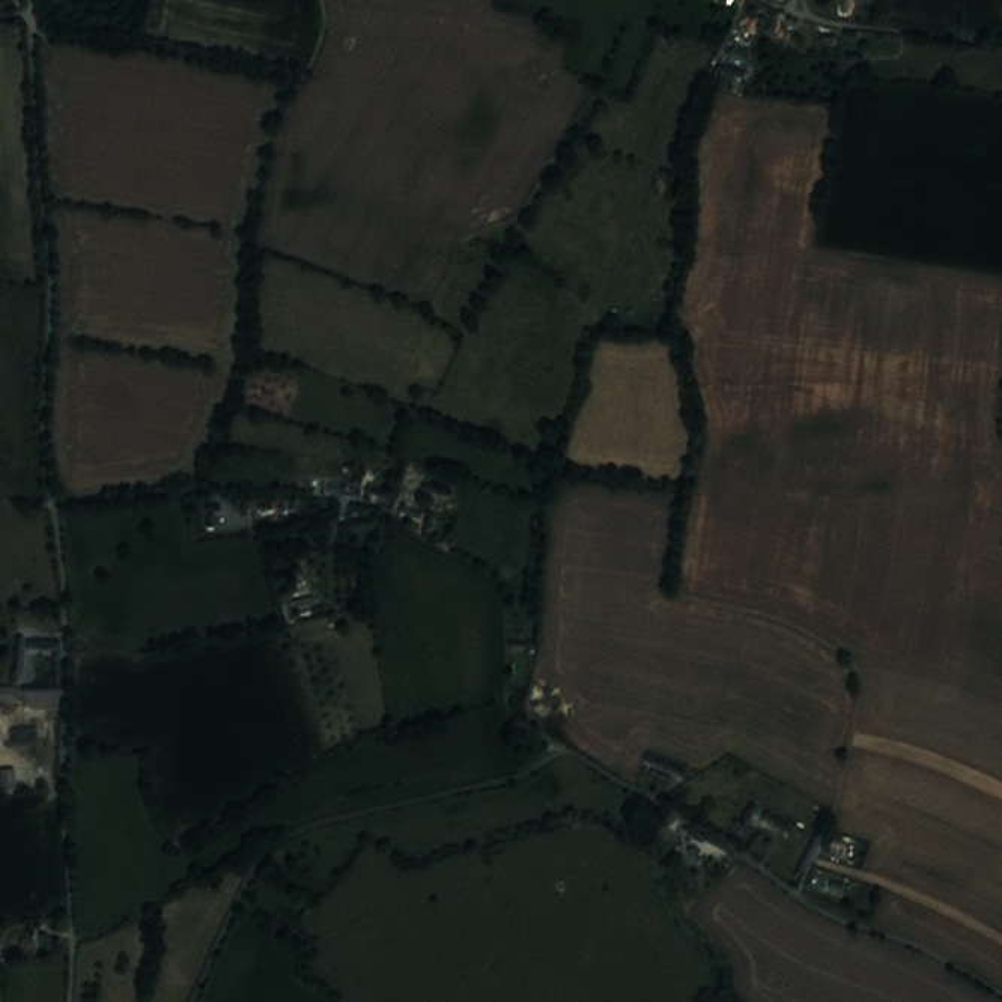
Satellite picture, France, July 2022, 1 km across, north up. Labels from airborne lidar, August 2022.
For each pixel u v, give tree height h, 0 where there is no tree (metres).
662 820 26
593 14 0
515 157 0
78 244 0
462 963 0
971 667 0
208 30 0
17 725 0
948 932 0
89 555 0
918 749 0
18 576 0
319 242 0
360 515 7
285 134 0
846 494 0
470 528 0
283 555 12
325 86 0
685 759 0
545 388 0
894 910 0
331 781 0
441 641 0
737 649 0
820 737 0
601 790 0
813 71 9
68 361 0
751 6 8
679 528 22
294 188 0
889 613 0
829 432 0
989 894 0
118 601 0
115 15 9
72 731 13
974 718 0
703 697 0
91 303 0
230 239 0
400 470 11
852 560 0
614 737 0
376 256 0
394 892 0
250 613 0
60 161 0
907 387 0
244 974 0
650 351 0
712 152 0
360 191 0
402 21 0
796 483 0
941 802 0
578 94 0
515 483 0
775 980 0
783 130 0
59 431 0
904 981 0
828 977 0
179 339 0
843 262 0
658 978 0
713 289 0
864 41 8
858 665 0
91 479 0
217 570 0
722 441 0
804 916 0
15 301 0
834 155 17
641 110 0
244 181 0
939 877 0
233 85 0
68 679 13
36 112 9
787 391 0
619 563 0
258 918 14
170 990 0
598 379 0
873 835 0
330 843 0
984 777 0
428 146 0
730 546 0
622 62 0
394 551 0
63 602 15
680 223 20
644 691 0
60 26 12
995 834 0
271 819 0
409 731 17
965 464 0
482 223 0
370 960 0
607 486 18
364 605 22
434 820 0
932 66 0
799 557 0
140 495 19
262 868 22
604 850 0
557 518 0
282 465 0
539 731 10
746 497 0
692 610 0
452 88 0
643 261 0
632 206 0
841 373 0
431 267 0
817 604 0
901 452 0
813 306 0
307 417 0
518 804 0
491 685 0
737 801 0
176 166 0
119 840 0
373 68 0
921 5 0
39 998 0
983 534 0
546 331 0
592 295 0
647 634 0
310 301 0
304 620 6
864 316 0
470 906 0
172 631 0
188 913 0
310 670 6
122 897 0
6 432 0
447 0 0
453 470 18
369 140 0
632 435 0
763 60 10
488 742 0
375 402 14
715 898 0
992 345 0
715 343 0
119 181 0
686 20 0
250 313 15
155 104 0
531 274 0
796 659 0
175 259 0
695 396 13
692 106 16
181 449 0
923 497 0
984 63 0
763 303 0
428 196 0
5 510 0
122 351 12
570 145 17
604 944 0
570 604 0
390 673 0
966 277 0
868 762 0
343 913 0
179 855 11
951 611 0
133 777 0
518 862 0
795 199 0
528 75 0
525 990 0
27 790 12
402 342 0
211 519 0
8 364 0
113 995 0
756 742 0
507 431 0
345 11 0
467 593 0
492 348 0
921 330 0
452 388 0
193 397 0
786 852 0
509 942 0
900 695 0
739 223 0
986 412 0
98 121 0
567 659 0
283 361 11
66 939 0
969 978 10
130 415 0
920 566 0
